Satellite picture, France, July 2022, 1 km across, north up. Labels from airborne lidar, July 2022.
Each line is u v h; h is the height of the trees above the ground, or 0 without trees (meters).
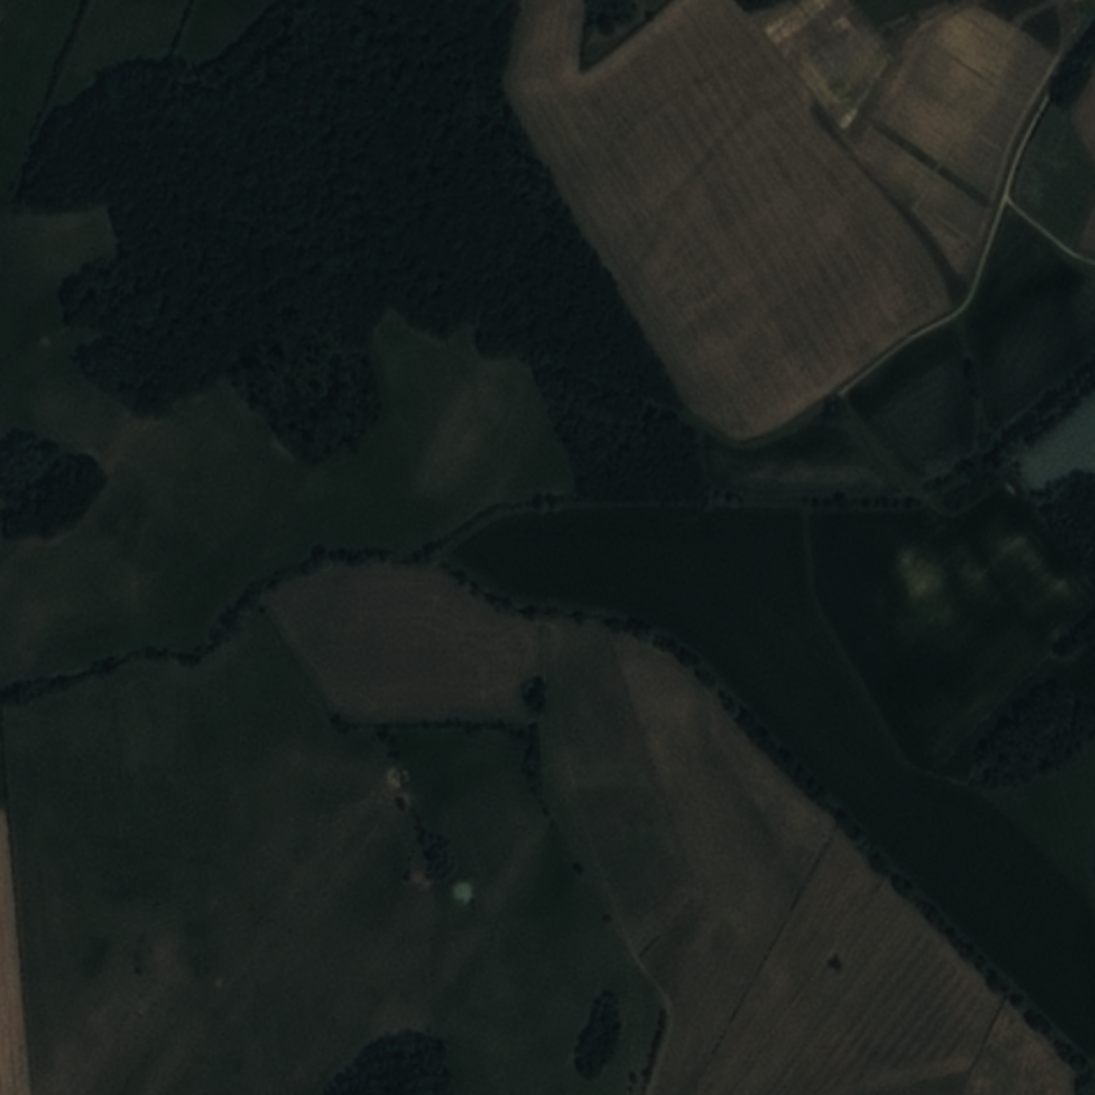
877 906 0
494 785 0
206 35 0
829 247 0
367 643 0
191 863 0
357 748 0
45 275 0
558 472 0
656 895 0
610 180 0
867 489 0
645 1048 0
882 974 0
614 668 0
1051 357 0
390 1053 20
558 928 0
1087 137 0
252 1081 0
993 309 0
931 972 0
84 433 0
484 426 0
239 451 0
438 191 25
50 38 0
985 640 0
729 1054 0
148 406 19
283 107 16
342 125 22
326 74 22
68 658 0
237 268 25
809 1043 0
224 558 0
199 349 21
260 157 21
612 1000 10
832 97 0
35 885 0
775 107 0
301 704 0
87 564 0
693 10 0
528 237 20
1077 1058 16
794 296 0
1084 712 18
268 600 0
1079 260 0
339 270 23
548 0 0
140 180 19
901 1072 0
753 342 0
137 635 0
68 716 0
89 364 19
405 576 0
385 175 19
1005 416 0
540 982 0
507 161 22
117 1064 0
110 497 0
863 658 0
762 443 0
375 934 0
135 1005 0
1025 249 0
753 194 0
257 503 0
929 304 0
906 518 0
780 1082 0
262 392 13
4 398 0
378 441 0
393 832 0
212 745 0
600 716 0
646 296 0
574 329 24
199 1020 0
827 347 0
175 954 0
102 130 20
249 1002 0
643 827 0
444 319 23
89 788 0
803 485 0
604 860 0
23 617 0
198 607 0
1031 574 0
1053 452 0
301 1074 0
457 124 25
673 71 0
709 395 0
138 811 0
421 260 22
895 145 0
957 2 0
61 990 0
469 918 0
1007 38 0
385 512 0
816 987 0
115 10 0
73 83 0
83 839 0
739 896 0
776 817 0
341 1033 0
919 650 0
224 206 24
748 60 0
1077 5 0
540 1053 0
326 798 0
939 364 0
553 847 0
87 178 18
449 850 11
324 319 24
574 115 0
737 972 0
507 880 0
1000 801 0
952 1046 0
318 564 14
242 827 0
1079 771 0
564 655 0
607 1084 0
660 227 0
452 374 0
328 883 0
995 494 0
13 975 0
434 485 0
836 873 0
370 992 0
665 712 0
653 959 0
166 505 0
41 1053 0
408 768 0
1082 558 14
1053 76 0
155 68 17
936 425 0
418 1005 0
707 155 0
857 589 0
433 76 28
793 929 0
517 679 0
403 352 0
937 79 0
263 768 0
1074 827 0
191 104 18
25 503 22
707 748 0
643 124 0
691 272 0
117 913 0
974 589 0
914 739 0
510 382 0
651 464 18
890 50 0
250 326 25
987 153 0
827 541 0
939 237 0
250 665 0
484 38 21
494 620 0
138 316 23
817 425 0
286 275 20
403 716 0
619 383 19
